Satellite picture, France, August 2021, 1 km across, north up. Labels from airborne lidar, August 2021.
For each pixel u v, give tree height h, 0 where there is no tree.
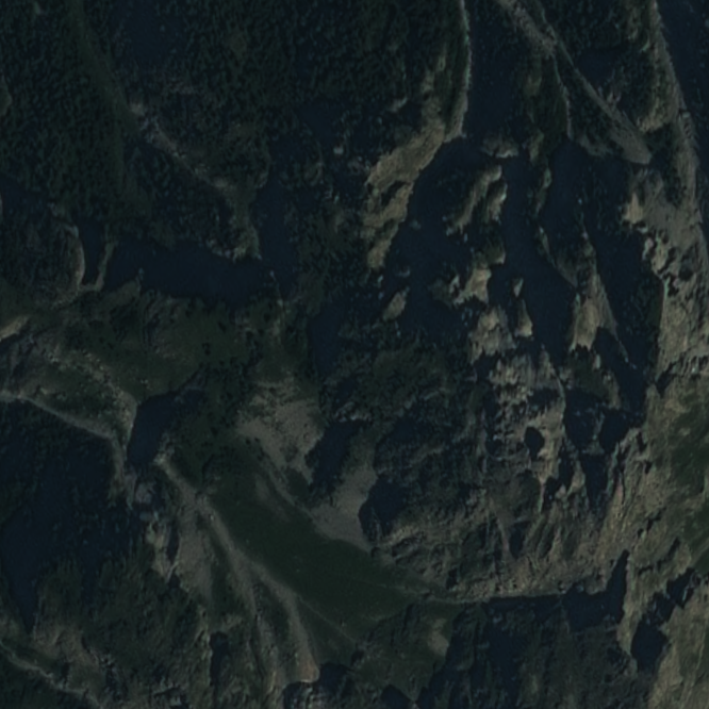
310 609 0
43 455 7
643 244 6
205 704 0
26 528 6
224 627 0
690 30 10
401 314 0
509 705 0
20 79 10
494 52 10
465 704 0
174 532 0
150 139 0
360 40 13
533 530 0
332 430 0
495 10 13
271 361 0
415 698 0
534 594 0
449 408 0
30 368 0
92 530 6
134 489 0
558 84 6
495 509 0
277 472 0
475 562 0
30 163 11
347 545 0
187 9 8
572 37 6
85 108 10
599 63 7
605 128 13
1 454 17
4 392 0
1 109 7
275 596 0
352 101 12
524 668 0
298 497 0
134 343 0
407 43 11
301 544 0
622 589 0
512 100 11
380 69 8
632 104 8
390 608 0
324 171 6
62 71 11
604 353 0
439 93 12
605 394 0
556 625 0
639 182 0
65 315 0
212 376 6
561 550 0
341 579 0
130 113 0
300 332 8
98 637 0
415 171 0
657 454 0
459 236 10
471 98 0
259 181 8
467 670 0
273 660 0
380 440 0
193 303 7
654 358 0
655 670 0
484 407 0
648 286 8
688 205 0
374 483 0
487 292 0
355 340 0
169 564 0
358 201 13
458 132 0
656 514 0
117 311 7
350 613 0
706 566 0
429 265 16
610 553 0
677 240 0
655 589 0
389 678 0
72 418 0
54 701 0
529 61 12
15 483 6
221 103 10
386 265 0
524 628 0
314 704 0
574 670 0
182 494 0
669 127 10
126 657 0
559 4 13
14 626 0
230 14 6
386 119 10
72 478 9
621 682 0
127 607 0
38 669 0
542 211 0
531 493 0
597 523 0
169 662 0
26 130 8
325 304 0
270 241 0
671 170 12
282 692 0
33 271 8
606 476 0
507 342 0
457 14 7
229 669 0
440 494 0
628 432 0
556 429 0
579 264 12
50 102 11
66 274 6
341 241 0
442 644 0
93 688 0
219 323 0
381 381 0
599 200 11
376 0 9
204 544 0
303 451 0
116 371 0
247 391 10
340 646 0
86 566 0
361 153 18
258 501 0
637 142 0
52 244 7
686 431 0
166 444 0
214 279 0
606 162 0
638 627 0
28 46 9
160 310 0
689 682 0
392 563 0
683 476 0
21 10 10
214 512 0
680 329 0
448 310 0
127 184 0
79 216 10
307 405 0
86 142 12
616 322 0
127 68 0
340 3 17
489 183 0
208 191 6
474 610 0
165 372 0
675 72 0
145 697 0
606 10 12
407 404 0
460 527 0
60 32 9
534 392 0
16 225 10
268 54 7
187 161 0
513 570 0
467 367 7
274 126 20
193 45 19
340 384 0
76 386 0
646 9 9
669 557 0
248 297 5
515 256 0
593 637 0
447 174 7
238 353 0
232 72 16
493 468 0
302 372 6
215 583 0
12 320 0
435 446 0
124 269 8
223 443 0
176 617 0
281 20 10
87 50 0
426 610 0
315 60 17
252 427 0
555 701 0
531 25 0
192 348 0
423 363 0
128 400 0
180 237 8
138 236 7
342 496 0
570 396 0
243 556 0
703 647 0
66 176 7
